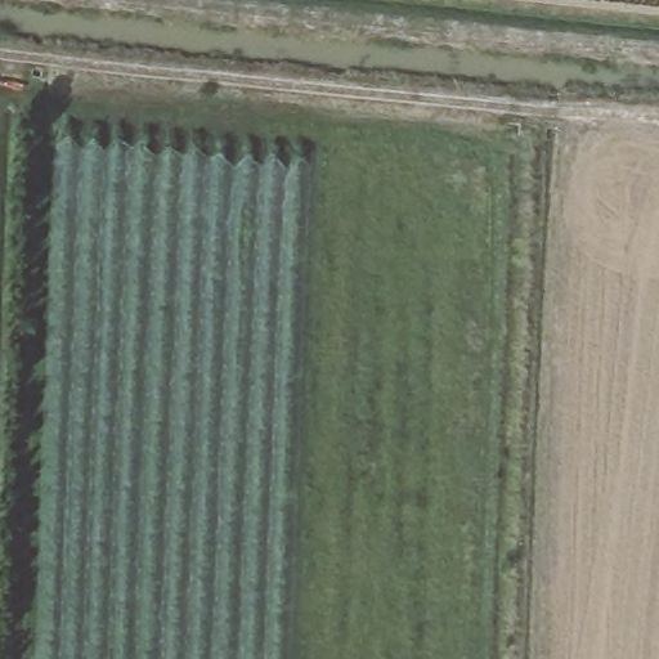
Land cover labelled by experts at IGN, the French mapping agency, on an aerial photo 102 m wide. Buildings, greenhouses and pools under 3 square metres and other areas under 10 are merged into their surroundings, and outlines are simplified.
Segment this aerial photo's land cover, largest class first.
<instances>
[{"label":"deciduous trees","instance_id":"1","mask_svg":"<svg viewBox=\"0 0 659 659\"><path fill-rule=\"evenodd\" d=\"M373 51L412 54L417 44L376 36ZM589 57L564 51H541V62L546 64V70L577 72L584 67ZM23 90L0 88V659H502L512 656L507 638L515 631V569L510 566V553L517 546L520 533L517 487L523 420L520 412L528 340L525 304L530 291L528 242L533 221V134H505V129H479L476 134H461L450 126L430 121L350 118L337 108H304L296 103L278 100L252 103L239 98H221L216 93L219 85L214 80L203 82L198 93L180 98L175 95L170 100L139 98L129 85L116 90H90L85 95H72V77L67 75H59L49 85H39L33 80L21 77Z\"/></svg>","mask_w":659,"mask_h":659},{"label":"herbaceous vegetation","instance_id":"2","mask_svg":"<svg viewBox=\"0 0 659 659\"><path fill-rule=\"evenodd\" d=\"M0 13L28 15L39 21H108L190 31L198 36H255L273 44H324L373 51L376 36L417 44H427L432 49H453L456 54L474 62H510L546 70V64L541 62V51H564L589 57L584 67L577 72V80H566L561 90H556V85L551 82L502 80L497 75L412 70L394 64L337 67L296 57H247L239 49L193 51L183 46L95 39L80 33H33L23 31L13 21H0V88L23 90L21 77L33 80L39 85H49L59 75H67L72 77V95H85L90 90H116L129 85L139 98L170 100L175 95L180 98L198 93L203 82L214 80L219 85L216 93L221 98H239L252 103L278 100L296 103L304 108H337L350 118L430 121L450 126L461 134H476L479 129H505V134H533V221L528 242L530 291L525 304L528 340L520 412L523 420L517 487L520 533L517 546L510 553V566L515 569V631L507 638L512 656L502 659H551V569L556 566L553 505L559 487V422L553 420V412L559 394V373L553 358L564 350L566 337H556L548 330V324L559 317V306H564L566 301L571 232L564 224V206L571 178V162L577 160L579 142L589 134L587 124L561 118V106L574 100H605L620 106L659 108V41L584 36L569 31H528L512 26L435 18H394L376 13H345L332 8H288L283 3L255 0H0ZM515 3L517 8L546 5L551 8V13H610L628 15L636 21L659 18V0H492Z\"/></svg>","mask_w":659,"mask_h":659},{"label":"plowed land","instance_id":"3","mask_svg":"<svg viewBox=\"0 0 659 659\"><path fill-rule=\"evenodd\" d=\"M561 118L587 124L589 134L579 142L577 160L571 162V178L564 206V224L571 232L566 301L564 306H559V317L548 324V330L556 337H566L564 350L553 358L559 373V394L553 412V420L559 422V487L553 505L556 566L551 569V659H659V108L620 106L605 100H574L561 106Z\"/></svg>","mask_w":659,"mask_h":659},{"label":"water","instance_id":"4","mask_svg":"<svg viewBox=\"0 0 659 659\"><path fill-rule=\"evenodd\" d=\"M0 21H13L23 31L33 33H80L95 39L183 46L193 51L239 49L247 57H296L337 67L394 64L412 70L497 75L502 80L551 82L556 85V90H561L566 80H577V72L546 70L510 62H474L456 54L453 49H432L427 44H417L412 54L373 51L324 44H273L255 36H198L190 31L108 21H39L28 15L0 13Z\"/></svg>","mask_w":659,"mask_h":659},{"label":"vineyard","instance_id":"5","mask_svg":"<svg viewBox=\"0 0 659 659\"><path fill-rule=\"evenodd\" d=\"M283 3L288 8H332L345 13H376L394 18H435L512 26L528 31H569L584 36L659 41V18L636 21L628 15L610 13H551V8L546 5L517 8L515 3L492 0H255Z\"/></svg>","mask_w":659,"mask_h":659}]
</instances>
